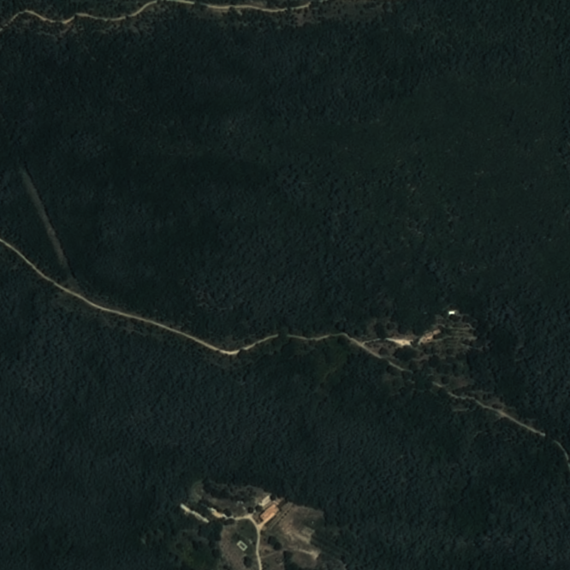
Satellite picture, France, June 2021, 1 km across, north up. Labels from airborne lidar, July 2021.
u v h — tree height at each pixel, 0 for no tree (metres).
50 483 19
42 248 13
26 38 13
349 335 9
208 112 13
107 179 15
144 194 12
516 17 10
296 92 16
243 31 16
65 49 10
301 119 12
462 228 6
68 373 17
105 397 9
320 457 19
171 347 15
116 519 16
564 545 22
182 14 11
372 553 18
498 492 13
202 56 14
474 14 13
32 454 17
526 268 13
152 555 15
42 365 17
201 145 8
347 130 7
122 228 14
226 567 10
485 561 8
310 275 12
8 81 11
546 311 21
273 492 7
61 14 10
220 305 15
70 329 18
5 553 17
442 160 7
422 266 9
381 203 9
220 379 15
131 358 16
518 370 15
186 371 18
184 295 12
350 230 20
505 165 6
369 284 19
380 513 9
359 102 13
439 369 10
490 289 14
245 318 12
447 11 8
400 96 11
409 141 6
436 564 13
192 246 13
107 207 12
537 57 7
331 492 15
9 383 15
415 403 16
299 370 15
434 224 8
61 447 16
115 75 14
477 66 11
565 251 9
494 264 7
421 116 6
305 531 0
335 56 10
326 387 6
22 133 13
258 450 10
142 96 13
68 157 12
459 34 7
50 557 14
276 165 11
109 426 16
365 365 19
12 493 11
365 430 14
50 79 11
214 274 16
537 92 6
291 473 15
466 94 7
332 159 9
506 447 14
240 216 13
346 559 20
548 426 16
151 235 13
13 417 19
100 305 0
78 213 14
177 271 13
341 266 16
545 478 15
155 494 18
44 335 17
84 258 14
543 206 6
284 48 15
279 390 16
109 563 14
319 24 8
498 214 7
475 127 7
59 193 13
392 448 21
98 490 14
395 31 8
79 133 21
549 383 23
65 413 18
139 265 18
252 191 10
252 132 15
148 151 8
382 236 7
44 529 10
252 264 16
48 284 10
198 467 11
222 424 11
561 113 11
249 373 16
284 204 13
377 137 6
